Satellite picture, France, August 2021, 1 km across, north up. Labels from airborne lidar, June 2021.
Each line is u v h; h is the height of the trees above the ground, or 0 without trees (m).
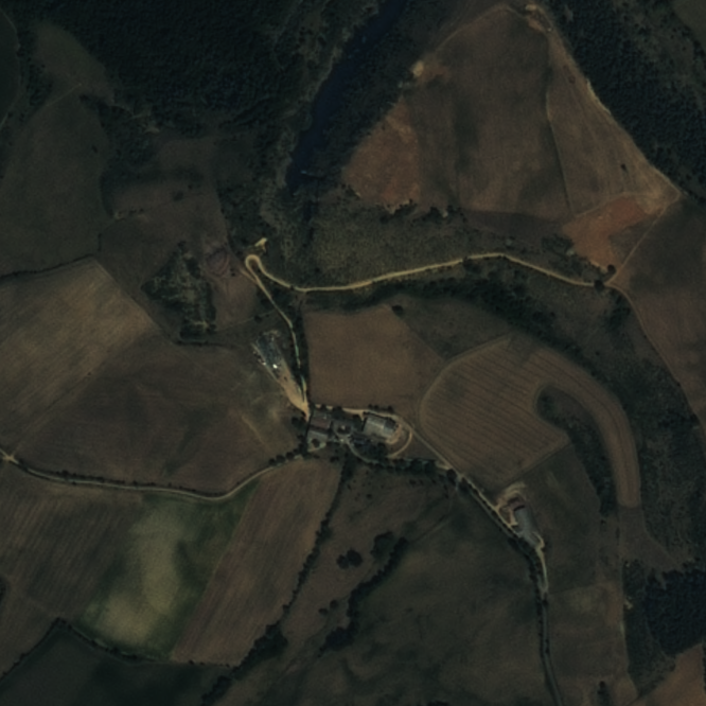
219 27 13
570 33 11
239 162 0
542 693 0
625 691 0
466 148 0
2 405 0
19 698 0
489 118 0
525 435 0
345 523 0
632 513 0
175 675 0
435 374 0
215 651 0
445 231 0
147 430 0
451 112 0
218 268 0
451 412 0
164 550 0
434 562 0
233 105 12
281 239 0
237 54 14
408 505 0
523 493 0
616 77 17
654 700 0
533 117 0
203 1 15
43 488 0
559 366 0
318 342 0
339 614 0
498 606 0
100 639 0
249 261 0
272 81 9
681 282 0
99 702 0
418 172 0
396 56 0
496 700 0
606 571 0
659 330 0
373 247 0
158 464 0
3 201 0
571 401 0
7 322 0
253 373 0
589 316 0
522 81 0
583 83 0
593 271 0
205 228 0
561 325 0
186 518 0
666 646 15
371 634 0
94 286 0
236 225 0
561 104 0
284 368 0
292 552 0
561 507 0
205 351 0
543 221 0
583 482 0
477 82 0
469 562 0
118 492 0
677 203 0
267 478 0
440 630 0
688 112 11
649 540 0
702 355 0
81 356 0
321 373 0
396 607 0
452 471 8
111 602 0
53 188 0
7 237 0
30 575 0
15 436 0
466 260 9
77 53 0
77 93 0
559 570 0
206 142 0
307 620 0
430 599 0
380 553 11
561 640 0
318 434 0
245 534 0
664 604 16
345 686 0
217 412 0
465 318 0
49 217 0
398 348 0
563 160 0
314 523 0
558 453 0
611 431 0
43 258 0
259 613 0
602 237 0
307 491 0
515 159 0
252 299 0
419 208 0
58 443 0
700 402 0
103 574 0
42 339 0
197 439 0
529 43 0
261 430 0
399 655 0
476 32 0
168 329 0
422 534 0
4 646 0
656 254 0
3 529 0
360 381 0
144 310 0
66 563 0
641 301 0
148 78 13
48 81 0
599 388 0
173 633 0
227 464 0
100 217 0
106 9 19
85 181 0
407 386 0
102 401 0
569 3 16
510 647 0
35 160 0
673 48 0
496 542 0
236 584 0
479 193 0
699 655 0
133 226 0
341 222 0
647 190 0
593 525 0
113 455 0
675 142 10
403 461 10
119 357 0
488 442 0
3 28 0
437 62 0
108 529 0
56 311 0
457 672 0
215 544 0
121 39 19
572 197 0
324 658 0
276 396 0
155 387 0
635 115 7
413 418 0
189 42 20
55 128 0
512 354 0
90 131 0
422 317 0
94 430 0
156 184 0
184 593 0
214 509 0
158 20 19
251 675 0
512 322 5
